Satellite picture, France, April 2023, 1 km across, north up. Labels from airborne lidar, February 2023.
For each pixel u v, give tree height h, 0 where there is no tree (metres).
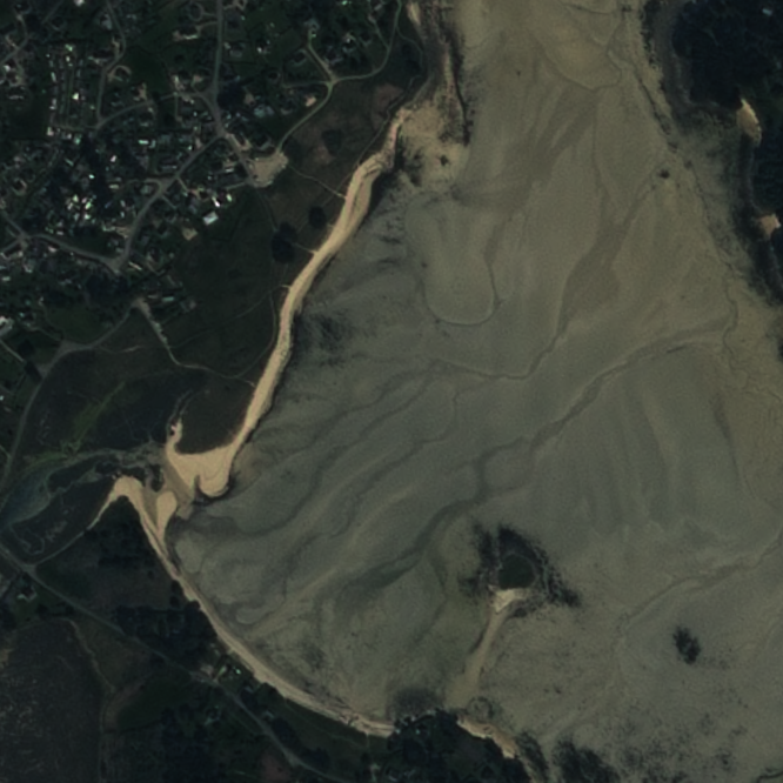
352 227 0
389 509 0
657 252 0
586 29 0
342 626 0
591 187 0
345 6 0
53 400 0
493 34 0
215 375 0
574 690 0
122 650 0
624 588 0
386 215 0
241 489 0
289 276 0
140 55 0
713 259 0
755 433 0
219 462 0
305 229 0
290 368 0
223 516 0
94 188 15
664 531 0
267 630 0
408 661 0
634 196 0
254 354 0
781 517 0
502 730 0
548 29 0
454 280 0
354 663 0
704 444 0
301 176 0
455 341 0
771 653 0
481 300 0
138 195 12
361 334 0
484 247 0
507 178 0
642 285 0
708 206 0
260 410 0
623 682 0
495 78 0
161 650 15
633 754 0
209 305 0
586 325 0
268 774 0
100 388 0
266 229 0
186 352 0
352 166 0
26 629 0
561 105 0
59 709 0
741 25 16
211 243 0
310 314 0
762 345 0
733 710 0
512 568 0
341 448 0
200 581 0
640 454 0
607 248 0
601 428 0
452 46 0
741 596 0
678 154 0
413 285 0
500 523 0
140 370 0
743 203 0
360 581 0
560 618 0
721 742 0
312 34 0
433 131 0
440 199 0
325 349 0
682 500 0
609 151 0
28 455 0
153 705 0
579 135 0
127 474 0
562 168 0
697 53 14
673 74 0
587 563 0
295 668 0
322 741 0
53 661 0
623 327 0
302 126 0
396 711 0
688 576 0
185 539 0
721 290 0
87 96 6
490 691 0
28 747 0
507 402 0
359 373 0
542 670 0
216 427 0
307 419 0
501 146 0
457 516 0
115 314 6
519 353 0
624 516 0
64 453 0
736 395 0
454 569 0
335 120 0
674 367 0
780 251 14
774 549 0
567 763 0
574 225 0
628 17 0
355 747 0
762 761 0
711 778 0
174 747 14
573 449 0
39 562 0
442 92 0
